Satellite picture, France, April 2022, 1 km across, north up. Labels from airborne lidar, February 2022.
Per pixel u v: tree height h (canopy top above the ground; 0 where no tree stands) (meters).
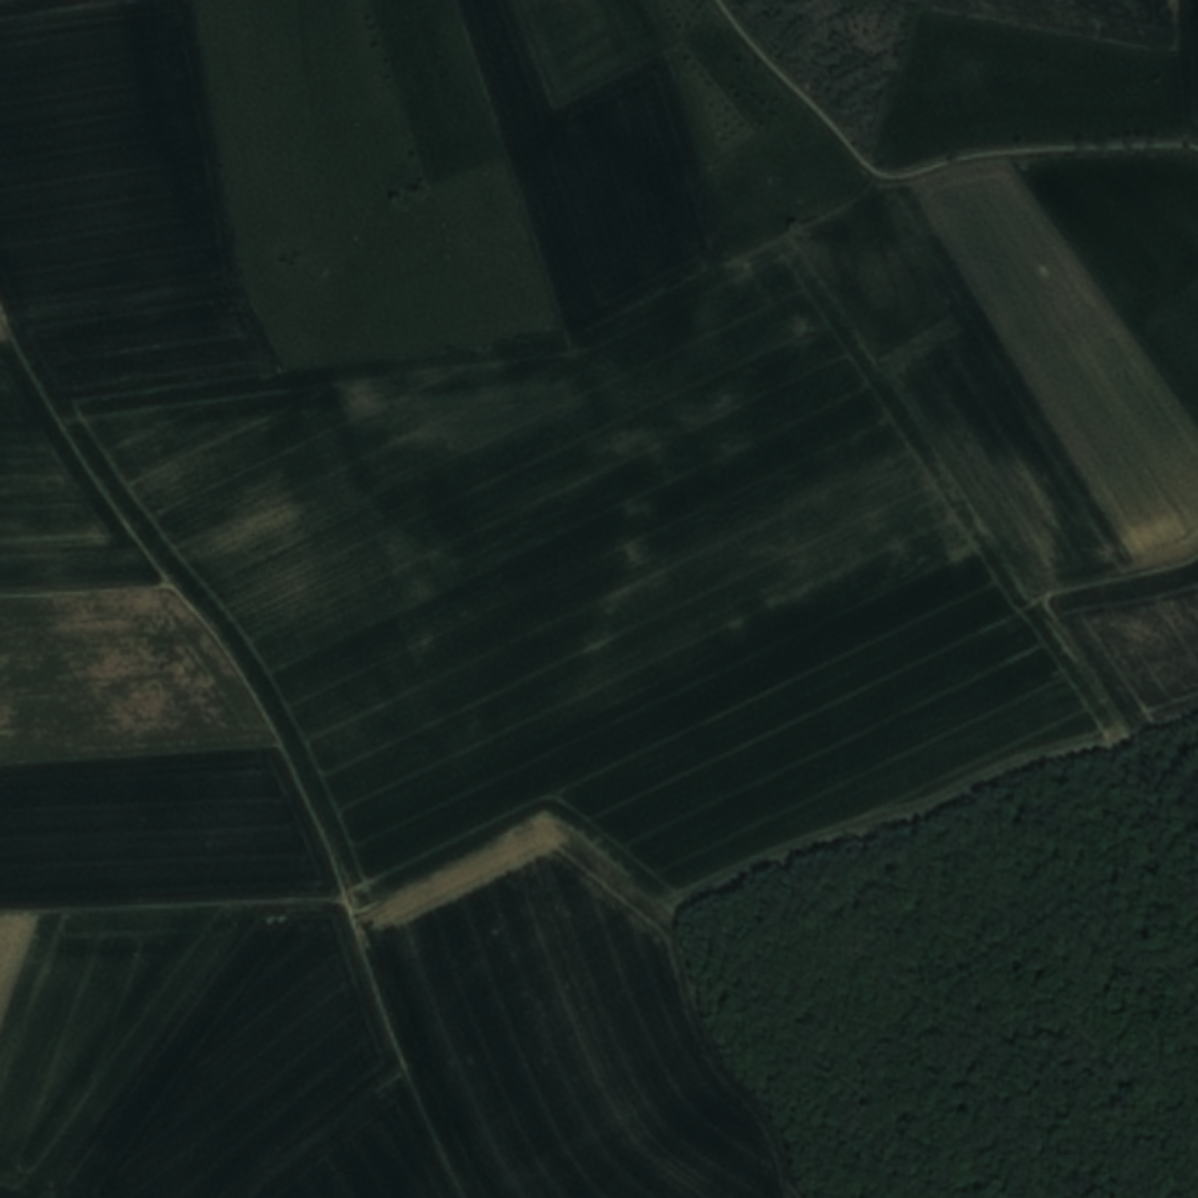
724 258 0
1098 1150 22
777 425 0
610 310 0
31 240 0
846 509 0
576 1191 0
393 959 0
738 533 0
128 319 0
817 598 0
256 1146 0
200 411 0
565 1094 0
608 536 0
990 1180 21
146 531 0
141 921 0
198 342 0
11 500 0
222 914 0
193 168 0
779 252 0
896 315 0
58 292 0
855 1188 20
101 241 0
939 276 0
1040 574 0
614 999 0
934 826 15
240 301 0
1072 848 18
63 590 0
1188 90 0
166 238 0
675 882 0
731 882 0
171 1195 0
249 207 0
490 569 0
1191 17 0
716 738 0
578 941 0
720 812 0
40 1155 0
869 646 0
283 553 0
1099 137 0
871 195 0
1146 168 0
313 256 0
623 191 0
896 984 22
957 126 0
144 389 0
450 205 0
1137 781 21
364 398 0
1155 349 0
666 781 0
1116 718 0
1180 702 0
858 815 0
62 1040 0
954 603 0
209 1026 0
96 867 0
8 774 0
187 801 0
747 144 0
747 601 0
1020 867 20
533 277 0
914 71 0
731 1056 11
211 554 0
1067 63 0
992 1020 19
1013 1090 19
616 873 0
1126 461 0
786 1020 24
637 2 0
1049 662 0
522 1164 0
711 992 15
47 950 0
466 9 0
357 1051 0
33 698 0
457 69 0
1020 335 0
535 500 0
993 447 0
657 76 0
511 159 0
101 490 0
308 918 0
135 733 0
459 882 0
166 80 0
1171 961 24
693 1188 0
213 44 0
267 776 0
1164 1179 18
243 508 0
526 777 0
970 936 21
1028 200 0
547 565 0
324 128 0
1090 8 0
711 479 0
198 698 0
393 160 0
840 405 0
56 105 0
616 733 0
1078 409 0
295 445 0
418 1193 0
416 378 0
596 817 0
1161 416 0
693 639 0
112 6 0
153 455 0
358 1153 0
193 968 0
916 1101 22
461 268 0
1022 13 0
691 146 0
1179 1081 19
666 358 0
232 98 0
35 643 0
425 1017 0
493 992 0
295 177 0
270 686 0
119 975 0
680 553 0
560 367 0
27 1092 0
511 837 0
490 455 0
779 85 0
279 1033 0
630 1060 0
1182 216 0
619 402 0
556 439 0
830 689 0
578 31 0
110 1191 0
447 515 0
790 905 22
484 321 0
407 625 0
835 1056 22
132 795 0
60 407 0
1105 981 22
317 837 0
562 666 0
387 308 0
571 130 0
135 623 0
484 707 0
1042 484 0
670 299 0
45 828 0
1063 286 0
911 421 0
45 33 0
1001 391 0
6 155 0
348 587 0
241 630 0
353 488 0
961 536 0
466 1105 0
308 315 0
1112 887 21
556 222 0
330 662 0
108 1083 0
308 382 0
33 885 0
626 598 0
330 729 0
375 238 0
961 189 0
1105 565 0
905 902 25
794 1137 17
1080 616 0
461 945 0
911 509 0
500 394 0
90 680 0
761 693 0
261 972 0
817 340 0
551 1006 0
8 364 0
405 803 0
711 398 0
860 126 13
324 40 0
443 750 0
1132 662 0
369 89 0
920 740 0
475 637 0
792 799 0
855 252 0
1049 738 0
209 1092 0
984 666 0
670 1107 0
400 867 0
